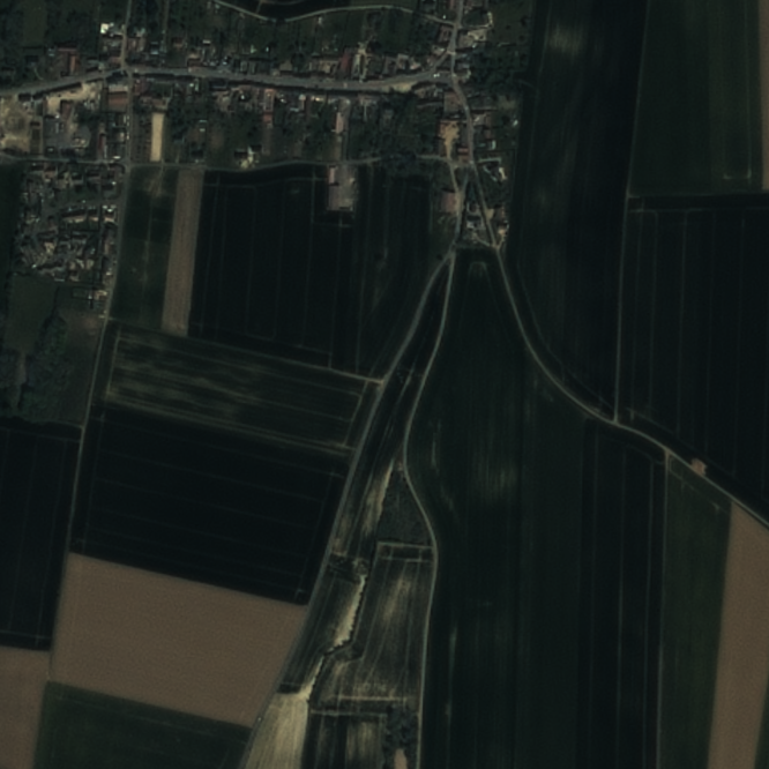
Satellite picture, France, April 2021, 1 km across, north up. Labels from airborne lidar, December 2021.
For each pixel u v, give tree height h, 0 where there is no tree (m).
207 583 0
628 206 0
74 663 0
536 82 0
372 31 8
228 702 0
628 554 0
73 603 0
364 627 0
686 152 0
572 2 0
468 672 0
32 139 0
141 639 0
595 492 0
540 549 0
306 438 0
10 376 11
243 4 0
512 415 0
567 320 0
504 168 0
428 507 0
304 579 0
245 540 0
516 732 0
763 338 0
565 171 0
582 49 0
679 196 0
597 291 0
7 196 0
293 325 0
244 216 0
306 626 0
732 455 0
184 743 0
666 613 0
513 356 0
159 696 0
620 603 0
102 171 7
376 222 0
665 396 0
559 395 0
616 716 0
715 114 0
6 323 16
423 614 0
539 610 0
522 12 0
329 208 0
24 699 0
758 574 0
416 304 0
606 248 0
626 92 0
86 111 12
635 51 0
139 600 0
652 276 0
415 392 0
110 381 0
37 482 0
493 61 6
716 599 0
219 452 0
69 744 0
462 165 0
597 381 0
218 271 0
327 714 0
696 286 0
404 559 0
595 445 0
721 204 0
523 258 0
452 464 0
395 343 0
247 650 0
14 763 0
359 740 0
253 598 0
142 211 0
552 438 0
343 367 0
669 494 0
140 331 0
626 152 0
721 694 0
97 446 0
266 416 0
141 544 0
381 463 0
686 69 0
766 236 0
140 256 0
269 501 0
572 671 0
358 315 0
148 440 0
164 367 0
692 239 0
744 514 0
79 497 0
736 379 0
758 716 0
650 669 0
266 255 0
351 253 0
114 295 0
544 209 0
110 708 0
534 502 0
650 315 0
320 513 0
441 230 0
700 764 0
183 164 0
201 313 0
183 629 0
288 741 0
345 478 0
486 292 0
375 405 0
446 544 0
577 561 0
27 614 0
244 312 0
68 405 0
